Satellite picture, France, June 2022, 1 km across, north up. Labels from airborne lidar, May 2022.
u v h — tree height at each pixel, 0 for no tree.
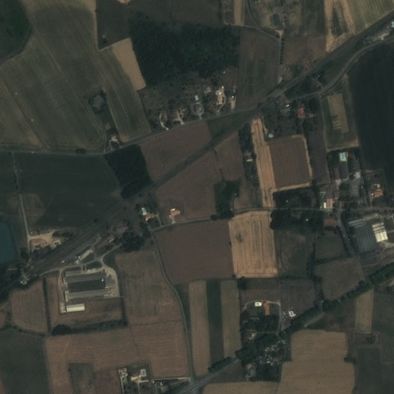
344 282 0
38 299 0
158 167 0
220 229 0
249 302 0
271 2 0
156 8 0
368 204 6
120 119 0
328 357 0
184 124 0
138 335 0
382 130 0
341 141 0
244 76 0
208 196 0
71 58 0
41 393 0
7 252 0
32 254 7
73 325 0
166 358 0
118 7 0
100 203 0
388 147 0
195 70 9
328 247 0
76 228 0
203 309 0
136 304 0
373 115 0
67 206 0
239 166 0
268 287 0
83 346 0
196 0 0
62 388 0
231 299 0
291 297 0
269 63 0
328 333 0
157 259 0
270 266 0
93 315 0
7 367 0
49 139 0
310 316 21
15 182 9
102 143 0
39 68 0
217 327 0
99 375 0
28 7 0
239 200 0
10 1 0
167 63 9
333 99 0
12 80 0
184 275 0
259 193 0
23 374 0
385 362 0
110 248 13
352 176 8
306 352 0
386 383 0
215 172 0
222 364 21
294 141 0
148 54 12
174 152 0
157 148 0
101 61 0
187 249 0
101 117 0
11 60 0
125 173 18
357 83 0
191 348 0
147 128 0
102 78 0
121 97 0
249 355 23
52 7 0
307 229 0
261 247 0
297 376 0
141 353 0
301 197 6
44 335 7
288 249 0
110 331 0
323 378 0
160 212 0
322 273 0
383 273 23
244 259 0
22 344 0
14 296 0
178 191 0
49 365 0
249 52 0
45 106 0
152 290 0
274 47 0
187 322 0
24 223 0
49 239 0
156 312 0
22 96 0
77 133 0
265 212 0
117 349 0
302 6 0
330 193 0
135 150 11
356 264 0
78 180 0
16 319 0
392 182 0
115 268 0
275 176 0
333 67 0
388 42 0
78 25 0
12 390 0
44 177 0
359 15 0
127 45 0
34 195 0
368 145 0
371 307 0
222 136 0
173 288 0
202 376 0
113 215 0
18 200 0
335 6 0
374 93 0
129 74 0
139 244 20
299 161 0
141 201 0
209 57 8
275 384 0
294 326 24
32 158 0
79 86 0
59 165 0
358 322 0
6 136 0
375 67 0
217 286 0
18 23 0
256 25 0
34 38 0
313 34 0
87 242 0
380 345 0
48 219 0
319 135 0
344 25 0
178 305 0
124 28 0
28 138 0
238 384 0
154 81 8
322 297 8
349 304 0
